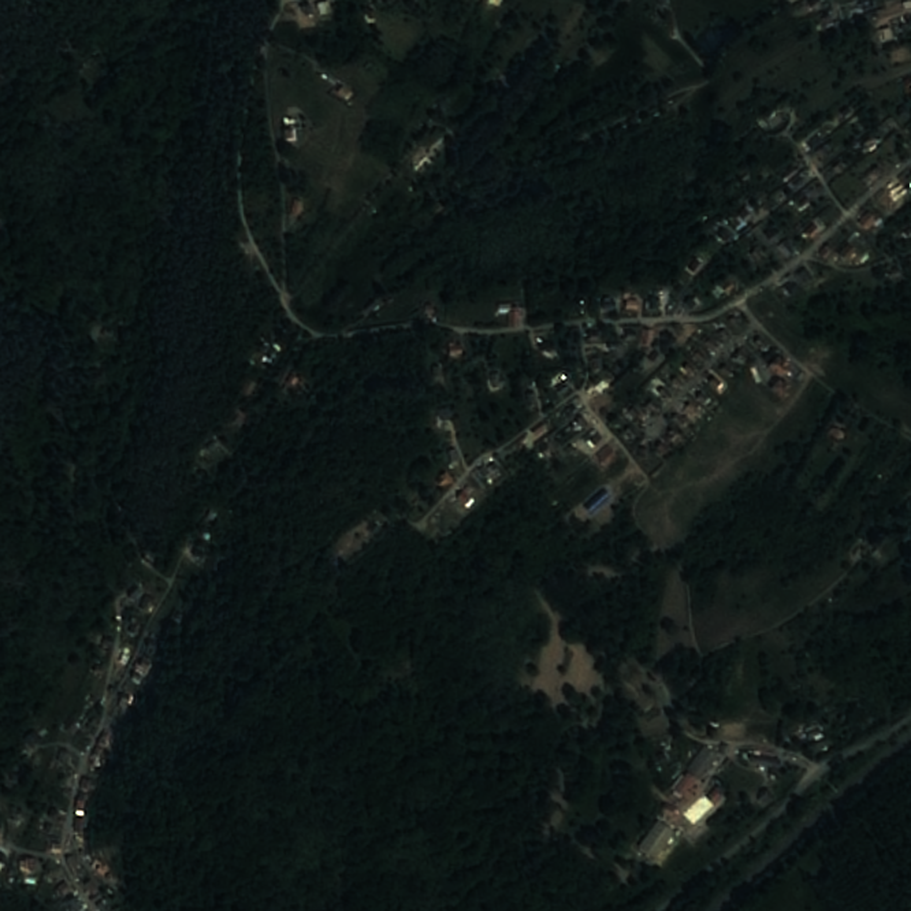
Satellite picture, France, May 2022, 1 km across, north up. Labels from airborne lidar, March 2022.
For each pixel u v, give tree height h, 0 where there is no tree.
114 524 19
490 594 19
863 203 0
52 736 5
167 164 26
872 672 12
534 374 13
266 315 10
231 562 8
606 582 9
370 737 19
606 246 16
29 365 27
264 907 22
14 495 27
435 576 16
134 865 19
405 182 0
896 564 7
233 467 7
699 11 0
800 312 8
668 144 12
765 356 8
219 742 21
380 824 15
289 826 18
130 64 21
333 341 8
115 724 0
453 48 11
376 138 20
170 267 19
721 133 18
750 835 0
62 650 19
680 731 17
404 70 13
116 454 22
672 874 0
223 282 14
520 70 20
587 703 9
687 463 0
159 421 17
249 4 27
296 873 15
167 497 16
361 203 0
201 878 8
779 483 12
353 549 0
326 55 16
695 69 0
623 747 18
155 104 19
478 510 7
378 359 15
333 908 15
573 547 7
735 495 7
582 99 0
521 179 14
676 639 0
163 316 21
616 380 6
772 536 8
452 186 8
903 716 7
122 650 0
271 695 20
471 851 18
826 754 8
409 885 17
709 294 8
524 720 24
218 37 26
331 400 12
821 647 15
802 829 0
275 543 7
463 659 15
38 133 19
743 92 0
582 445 0
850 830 25
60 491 7
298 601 6
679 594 0
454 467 0
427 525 0
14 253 18
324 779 19
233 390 11
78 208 18
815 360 0
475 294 8
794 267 0
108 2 21
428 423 8
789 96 7
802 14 0
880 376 0
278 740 16
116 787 13
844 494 6
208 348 16
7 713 17
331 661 19
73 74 18
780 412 0
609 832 19
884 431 6
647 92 12
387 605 16
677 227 18
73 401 21
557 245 17
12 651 17
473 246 15
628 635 19
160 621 0
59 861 0
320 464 13
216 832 18
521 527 10
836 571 0
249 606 20
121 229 23
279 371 10
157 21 6
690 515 0
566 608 33
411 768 25
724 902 0
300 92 0
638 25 0
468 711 25
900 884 23
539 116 17
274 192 8
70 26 17
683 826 0
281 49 0
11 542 21
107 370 13
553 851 15
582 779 22
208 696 19
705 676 18
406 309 0
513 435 0
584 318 9
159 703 24
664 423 0
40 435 15
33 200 16
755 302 0
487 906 19
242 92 24
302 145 0
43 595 19
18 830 0
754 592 0
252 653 20
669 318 0
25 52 23
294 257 15
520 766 15
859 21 10
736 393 0
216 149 18
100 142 9
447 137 8
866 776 0
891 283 7
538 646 13
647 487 0
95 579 15
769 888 16
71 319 18
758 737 0
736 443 0
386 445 12
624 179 14
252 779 17
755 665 0
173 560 11
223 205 15
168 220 17
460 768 15
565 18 0
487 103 14
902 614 15
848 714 12
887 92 0
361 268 0
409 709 20
